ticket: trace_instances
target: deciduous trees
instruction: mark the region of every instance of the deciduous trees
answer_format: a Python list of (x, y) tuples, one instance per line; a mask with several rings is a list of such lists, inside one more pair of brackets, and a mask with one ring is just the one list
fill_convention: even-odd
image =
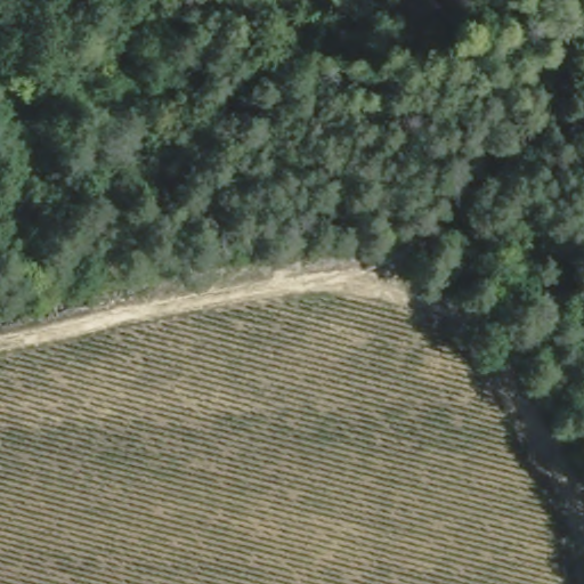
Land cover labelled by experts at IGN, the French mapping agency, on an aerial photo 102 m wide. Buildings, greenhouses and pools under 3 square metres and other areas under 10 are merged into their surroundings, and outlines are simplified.
[(287, 27), (278, 0), (233, 0), (258, 7), (258, 18), (249, 21), (249, 43), (246, 48), (242, 48), (242, 59), (249, 64), (251, 73), (265, 66), (281, 64), (294, 46), (297, 37)]
[(475, 358), (475, 365), (481, 370), (481, 374), (490, 374), (504, 367), (511, 354), (511, 340), (506, 335), (506, 329), (493, 324), (488, 329), (488, 347), (481, 349), (481, 354)]
[[(173, 75), (173, 68), (164, 59), (157, 39), (164, 30), (171, 30), (169, 18), (178, 9), (178, 5), (192, 0), (91, 0), (98, 7), (94, 14), (78, 11), (75, 16), (68, 16), (66, 7), (71, 0), (0, 0), (0, 84), (9, 84), (16, 78), (30, 78), (32, 73), (39, 73), (43, 84), (52, 94), (64, 94), (78, 100), (84, 110), (96, 103), (96, 107), (107, 110), (112, 116), (119, 119), (144, 116), (146, 130), (141, 137), (141, 148), (162, 146), (169, 141), (183, 146), (189, 141), (194, 130), (210, 123), (214, 112), (219, 110), (208, 96), (198, 91), (187, 94), (187, 82)], [(103, 68), (103, 75), (107, 78), (107, 87), (87, 94), (82, 89), (82, 82), (94, 78), (96, 64), (80, 68), (80, 64), (73, 62), (68, 52), (82, 50), (84, 41), (94, 32), (107, 39), (103, 59), (98, 64)]]
[(0, 87), (0, 249), (9, 244), (11, 235), (16, 233), (14, 208), (21, 198), (21, 189), (30, 173), (30, 151), (21, 139), (23, 128), (14, 119), (14, 107), (5, 98)]
[(94, 262), (87, 253), (73, 269), (71, 285), (50, 278), (50, 285), (43, 292), (37, 292), (34, 299), (25, 301), (25, 306), (0, 306), (0, 333), (27, 331), (73, 319), (68, 315), (71, 308), (96, 308), (100, 303), (100, 297), (105, 294), (107, 265)]
[(509, 285), (516, 283), (532, 299), (541, 297), (545, 290), (538, 278), (527, 276), (522, 253), (509, 249), (504, 253), (502, 265), (488, 281), (493, 287), (497, 287), (497, 297), (502, 299)]

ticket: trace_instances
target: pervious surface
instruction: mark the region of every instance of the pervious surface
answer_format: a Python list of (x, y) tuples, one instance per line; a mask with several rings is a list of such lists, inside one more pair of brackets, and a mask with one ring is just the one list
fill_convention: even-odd
[(290, 276), (290, 271), (285, 269), (276, 269), (269, 281), (240, 283), (228, 287), (212, 285), (205, 292), (151, 299), (144, 303), (121, 306), (107, 313), (94, 313), (73, 319), (27, 331), (0, 333), (0, 351), (27, 344), (43, 344), (52, 340), (66, 340), (121, 322), (148, 319), (155, 315), (203, 310), (212, 306), (235, 306), (240, 301), (267, 303), (267, 299), (271, 297), (294, 292), (335, 292), (347, 299), (376, 297), (390, 303), (408, 301), (406, 283), (402, 283), (399, 278), (381, 281), (376, 271), (360, 269), (358, 265), (344, 271), (315, 271), (303, 276)]

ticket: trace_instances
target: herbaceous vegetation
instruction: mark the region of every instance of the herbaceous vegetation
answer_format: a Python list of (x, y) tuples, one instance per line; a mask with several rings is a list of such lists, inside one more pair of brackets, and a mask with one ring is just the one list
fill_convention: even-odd
[(290, 271), (290, 276), (303, 276), (315, 271), (344, 271), (358, 265), (358, 260), (329, 258), (315, 262), (292, 262), (285, 269)]

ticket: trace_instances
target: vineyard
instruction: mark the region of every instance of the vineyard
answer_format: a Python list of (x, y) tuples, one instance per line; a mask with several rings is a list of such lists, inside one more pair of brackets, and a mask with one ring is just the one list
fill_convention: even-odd
[(584, 493), (573, 479), (566, 477), (566, 459), (557, 456), (552, 449), (536, 443), (532, 413), (511, 395), (511, 381), (506, 376), (500, 376), (488, 381), (481, 379), (481, 374), (481, 370), (475, 365), (475, 358), (472, 354), (461, 351), (461, 342), (452, 331), (452, 317), (447, 310), (431, 308), (431, 303), (422, 301), (408, 301), (390, 303), (376, 297), (347, 299), (335, 292), (294, 292), (271, 297), (267, 299), (267, 303), (240, 301), (235, 306), (212, 306), (203, 310), (155, 315), (148, 319), (121, 322), (66, 340), (52, 340), (43, 344), (27, 344), (0, 351), (0, 584), (584, 584)]

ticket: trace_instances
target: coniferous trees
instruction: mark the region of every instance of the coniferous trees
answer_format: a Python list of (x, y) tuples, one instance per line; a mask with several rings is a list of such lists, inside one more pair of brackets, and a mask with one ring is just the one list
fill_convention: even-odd
[(68, 16), (75, 16), (78, 11), (94, 14), (98, 7), (91, 0), (71, 0), (66, 7)]
[[(258, 7), (233, 0), (192, 0), (178, 5), (178, 9), (169, 18), (171, 30), (164, 30), (157, 39), (164, 59), (173, 68), (173, 75), (187, 82), (187, 94), (198, 91), (208, 96), (219, 110), (214, 112), (210, 123), (194, 130), (189, 141), (183, 146), (169, 141), (162, 146), (141, 148), (141, 137), (146, 130), (144, 116), (119, 119), (112, 116), (107, 110), (96, 107), (96, 103), (84, 110), (78, 100), (64, 94), (52, 94), (43, 84), (39, 73), (32, 73), (30, 78), (16, 78), (9, 84), (0, 84), (0, 87), (5, 98), (14, 107), (14, 119), (23, 128), (21, 139), (30, 151), (30, 173), (21, 189), (21, 198), (14, 208), (16, 233), (11, 235), (9, 244), (0, 249), (0, 306), (25, 306), (25, 301), (34, 299), (37, 292), (43, 292), (50, 285), (50, 278), (71, 285), (73, 269), (87, 253), (94, 262), (107, 265), (105, 294), (100, 297), (100, 303), (96, 308), (71, 308), (68, 315), (73, 319), (94, 313), (107, 313), (121, 306), (144, 303), (151, 299), (205, 292), (212, 285), (228, 287), (240, 283), (269, 281), (276, 269), (285, 269), (292, 262), (315, 262), (329, 258), (358, 260), (358, 265), (360, 269), (376, 271), (381, 281), (399, 278), (402, 283), (406, 283), (408, 301), (422, 301), (431, 303), (431, 308), (447, 310), (452, 317), (452, 331), (461, 342), (461, 351), (472, 354), (475, 358), (481, 354), (481, 349), (488, 347), (488, 329), (493, 324), (506, 329), (506, 335), (511, 340), (511, 354), (504, 367), (490, 374), (481, 374), (481, 379), (488, 381), (500, 376), (506, 376), (511, 381), (511, 395), (532, 413), (536, 443), (552, 449), (557, 456), (566, 459), (566, 477), (573, 479), (584, 493), (584, 0), (278, 0), (287, 27), (297, 37), (294, 46), (281, 64), (265, 66), (251, 73), (249, 64), (242, 59), (242, 48), (246, 48), (249, 43), (249, 21), (258, 18)], [(522, 253), (527, 276), (538, 278), (545, 290), (541, 297), (532, 299), (516, 283), (509, 285), (502, 299), (497, 297), (497, 287), (493, 287), (488, 281), (502, 265), (504, 253), (509, 249)]]
[(80, 68), (96, 64), (94, 78), (82, 82), (82, 89), (87, 94), (107, 87), (107, 78), (103, 75), (103, 68), (98, 64), (103, 59), (107, 39), (94, 32), (84, 41), (82, 50), (68, 52), (73, 62), (80, 64)]

